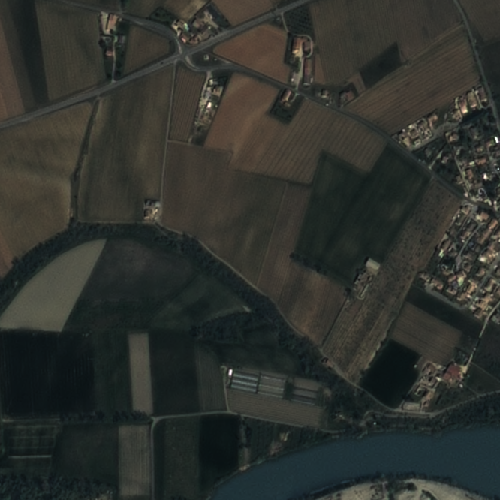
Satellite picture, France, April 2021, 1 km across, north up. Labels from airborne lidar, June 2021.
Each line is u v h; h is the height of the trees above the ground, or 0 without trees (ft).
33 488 74
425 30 0
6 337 0
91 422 48
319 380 51
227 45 0
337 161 0
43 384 0
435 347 0
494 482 0
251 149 0
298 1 0
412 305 0
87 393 0
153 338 0
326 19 0
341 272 0
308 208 0
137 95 0
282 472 0
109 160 0
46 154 0
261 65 0
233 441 0
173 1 0
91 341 0
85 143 0
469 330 0
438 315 0
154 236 34
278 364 0
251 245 0
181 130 0
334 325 0
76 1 0
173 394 0
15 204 0
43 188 0
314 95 0
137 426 0
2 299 68
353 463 0
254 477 0
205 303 0
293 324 0
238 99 0
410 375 0
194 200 0
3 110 0
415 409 0
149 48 0
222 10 0
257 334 0
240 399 0
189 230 0
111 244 0
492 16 0
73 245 50
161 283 0
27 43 0
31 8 0
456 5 0
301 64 0
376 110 0
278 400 0
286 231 0
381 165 0
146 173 0
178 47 0
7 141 0
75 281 0
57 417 0
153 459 0
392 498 26
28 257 45
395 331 0
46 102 0
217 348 0
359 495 0
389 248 0
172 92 0
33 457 0
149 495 0
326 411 0
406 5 0
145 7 0
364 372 35
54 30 0
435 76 0
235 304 0
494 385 0
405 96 0
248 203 0
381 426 61
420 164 0
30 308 0
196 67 0
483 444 0
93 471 0
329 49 0
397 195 0
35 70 0
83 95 0
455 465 0
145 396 0
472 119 51
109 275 0
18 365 0
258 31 0
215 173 0
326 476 0
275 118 0
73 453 0
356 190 0
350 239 0
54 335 0
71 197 0
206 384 0
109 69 0
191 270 0
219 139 0
